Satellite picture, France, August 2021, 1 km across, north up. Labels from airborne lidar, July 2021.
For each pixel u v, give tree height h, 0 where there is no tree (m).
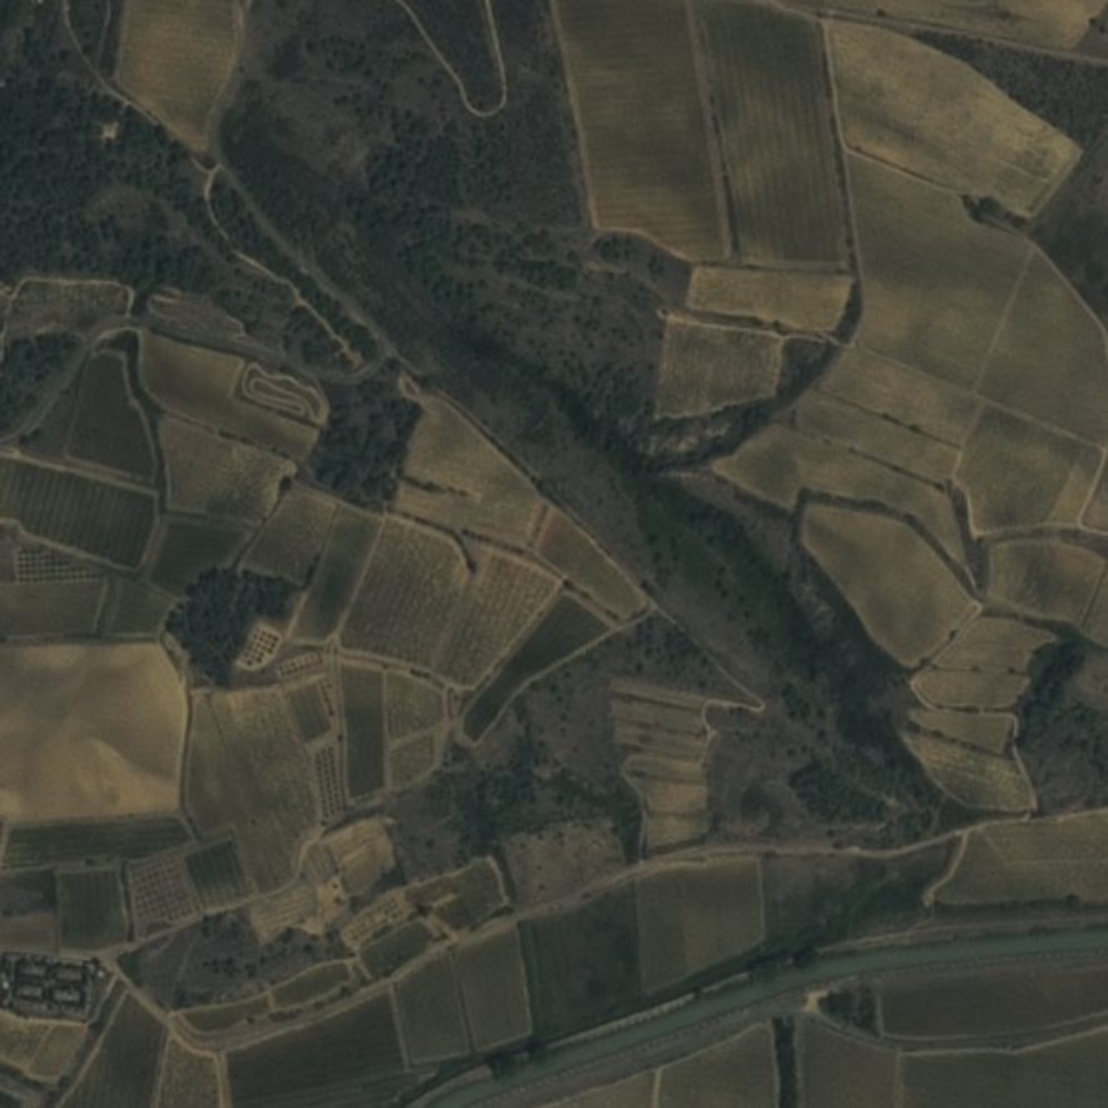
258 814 0
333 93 0
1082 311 0
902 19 0
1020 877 0
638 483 6
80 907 0
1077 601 0
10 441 0
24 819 0
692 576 0
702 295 0
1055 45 0
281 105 0
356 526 0
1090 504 0
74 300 0
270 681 0
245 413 0
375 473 8
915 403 0
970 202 8
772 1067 0
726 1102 0
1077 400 0
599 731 0
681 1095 0
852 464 0
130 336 6
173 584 0
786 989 0
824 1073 0
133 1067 0
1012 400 0
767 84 0
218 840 0
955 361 0
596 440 15
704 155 0
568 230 0
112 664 0
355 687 0
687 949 0
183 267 12
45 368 9
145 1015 0
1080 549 0
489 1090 0
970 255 0
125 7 0
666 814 0
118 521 0
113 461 0
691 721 0
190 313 0
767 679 0
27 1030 0
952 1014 0
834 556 0
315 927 0
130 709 0
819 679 8
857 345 0
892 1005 0
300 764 0
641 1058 0
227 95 0
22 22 0
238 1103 0
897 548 0
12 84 9
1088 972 0
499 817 9
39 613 0
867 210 0
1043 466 0
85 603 0
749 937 0
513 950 0
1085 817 0
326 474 13
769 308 0
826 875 0
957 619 0
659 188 0
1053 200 0
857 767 6
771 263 0
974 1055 0
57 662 0
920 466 0
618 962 0
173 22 0
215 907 0
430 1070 0
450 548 0
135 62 0
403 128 8
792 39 0
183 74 0
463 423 0
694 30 0
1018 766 0
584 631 0
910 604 0
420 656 0
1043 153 0
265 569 0
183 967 0
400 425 9
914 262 0
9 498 0
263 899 0
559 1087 0
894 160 0
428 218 13
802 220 0
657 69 0
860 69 0
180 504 0
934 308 0
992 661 0
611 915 0
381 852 0
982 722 0
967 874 0
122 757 0
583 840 0
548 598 0
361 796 0
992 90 0
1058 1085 0
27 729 0
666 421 7
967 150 0
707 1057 0
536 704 0
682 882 0
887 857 0
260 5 0
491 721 0
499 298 0
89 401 0
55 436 0
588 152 0
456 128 9
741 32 0
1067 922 0
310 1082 0
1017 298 0
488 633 0
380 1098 0
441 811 0
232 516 0
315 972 0
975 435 0
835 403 0
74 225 12
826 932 6
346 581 0
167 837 0
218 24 0
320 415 0
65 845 0
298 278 10
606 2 0
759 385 0
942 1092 0
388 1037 0
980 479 0
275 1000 0
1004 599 0
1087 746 11
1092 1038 0
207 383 0
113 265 6
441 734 0
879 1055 0
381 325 6
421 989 0
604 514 0
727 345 0
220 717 0
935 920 0
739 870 0
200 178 0
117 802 0
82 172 10
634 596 0
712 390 0
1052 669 11
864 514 0
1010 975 0
